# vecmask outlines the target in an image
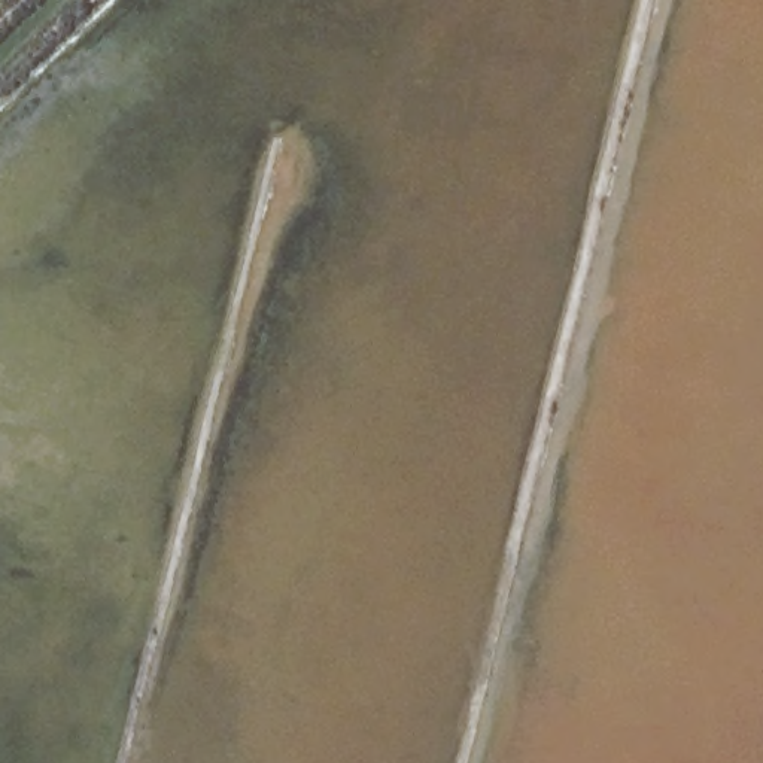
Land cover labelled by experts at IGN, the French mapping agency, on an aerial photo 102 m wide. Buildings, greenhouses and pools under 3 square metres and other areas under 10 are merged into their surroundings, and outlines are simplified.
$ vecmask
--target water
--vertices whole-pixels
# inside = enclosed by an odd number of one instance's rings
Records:
[[[194,453],[203,399],[224,337],[227,307],[238,271],[247,218],[253,209],[256,176],[271,137],[280,137],[286,128],[301,131],[310,143],[313,185],[277,238],[271,268],[247,328],[244,358],[235,373],[224,420],[209,441],[200,477],[200,501],[194,507],[188,528],[182,587],[176,593],[167,638],[161,644],[158,677],[143,706],[149,721],[149,748],[140,754],[134,751],[131,763],[456,763],[495,611],[519,489],[539,420],[539,402],[548,384],[560,322],[566,313],[566,298],[575,277],[590,191],[599,170],[611,101],[623,72],[638,0],[119,0],[72,51],[63,54],[63,60],[54,69],[36,77],[39,98],[24,98],[15,107],[0,110],[0,763],[116,763],[134,683],[140,674],[143,647],[149,638],[149,623],[155,617],[176,510],[185,489],[185,468]]]
[[[522,620],[507,650],[507,665],[516,674],[516,688],[501,691],[495,697],[492,727],[480,763],[763,763],[763,0],[674,0],[665,21],[656,72],[650,80],[647,119],[638,140],[629,197],[614,235],[614,259],[605,289],[605,295],[611,298],[611,310],[599,319],[587,349],[584,396],[566,432],[563,453],[557,459],[551,516],[542,531],[536,572],[528,584]]]

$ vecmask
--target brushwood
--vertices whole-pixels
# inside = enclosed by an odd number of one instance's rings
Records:
[[[72,51],[119,0],[0,0],[0,110],[15,107],[24,98],[39,98],[36,77],[54,69],[63,60],[63,54]]]

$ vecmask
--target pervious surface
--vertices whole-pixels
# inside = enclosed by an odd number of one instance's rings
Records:
[[[560,322],[548,384],[539,402],[539,420],[519,489],[495,611],[456,763],[480,763],[492,727],[495,697],[501,691],[516,688],[516,674],[507,665],[507,650],[522,620],[528,584],[536,572],[542,531],[551,516],[557,459],[563,453],[566,432],[584,396],[587,349],[599,319],[611,310],[611,298],[605,295],[605,289],[614,259],[614,235],[629,197],[638,140],[647,119],[650,80],[656,72],[665,21],[674,0],[638,0],[623,72],[611,101],[599,170],[590,191],[575,277],[566,298],[566,313]]]
[[[280,137],[271,137],[256,176],[253,209],[247,218],[238,271],[227,307],[224,337],[203,399],[194,453],[185,468],[185,489],[176,510],[155,617],[149,623],[149,638],[143,647],[140,674],[134,683],[116,763],[131,763],[134,751],[140,754],[149,748],[149,721],[143,706],[158,677],[161,644],[167,638],[176,593],[182,587],[188,528],[194,507],[200,501],[200,477],[209,441],[224,420],[235,373],[244,358],[247,328],[271,268],[277,238],[313,185],[310,143],[301,131],[286,128]]]

